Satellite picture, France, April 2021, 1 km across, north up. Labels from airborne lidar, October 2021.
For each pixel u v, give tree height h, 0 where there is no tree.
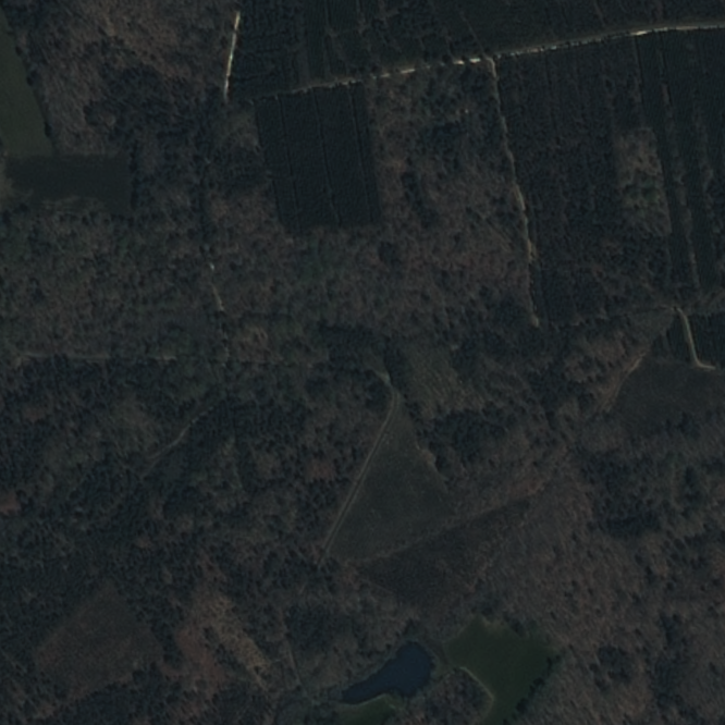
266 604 6
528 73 17
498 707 0
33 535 10
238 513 12
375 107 5
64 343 13
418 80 16
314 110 16
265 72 17
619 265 23
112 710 16
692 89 11
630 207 7
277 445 12
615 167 20
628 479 16
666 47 12
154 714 15
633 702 16
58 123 13
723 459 15
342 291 9
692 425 20
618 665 26
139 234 15
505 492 14
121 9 11
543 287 15
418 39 19
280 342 23
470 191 12
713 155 9
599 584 12
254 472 15
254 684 9
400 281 12
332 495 17
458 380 19
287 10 16
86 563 18
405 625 15
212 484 14
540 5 12
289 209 15
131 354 13
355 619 16
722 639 18
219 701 14
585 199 20
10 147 0
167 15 10
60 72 15
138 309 23
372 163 16
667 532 16
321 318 23
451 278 13
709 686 19
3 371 14
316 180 16
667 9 18
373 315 12
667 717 24
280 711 8
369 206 12
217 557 20
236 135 7
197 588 15
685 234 11
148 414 14
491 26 10
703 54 11
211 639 21
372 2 9
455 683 10
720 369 15
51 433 16
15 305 18
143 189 20
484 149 14
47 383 15
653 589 21
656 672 15
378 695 0
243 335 16
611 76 18
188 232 6
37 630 18
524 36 9
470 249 9
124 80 11
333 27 11
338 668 17
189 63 10
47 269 11
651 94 14
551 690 19
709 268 8
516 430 22
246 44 16
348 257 14
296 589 7
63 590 19
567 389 18
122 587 13
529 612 16
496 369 12
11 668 16
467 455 21
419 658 0
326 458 18
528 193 15
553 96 17
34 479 14
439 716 20
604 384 20
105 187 0
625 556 13
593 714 12
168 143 16
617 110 14
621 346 15
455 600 0
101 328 11
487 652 0
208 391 19
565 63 15
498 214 10
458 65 6
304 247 12
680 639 23
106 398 17
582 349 15
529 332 13
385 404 20
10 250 25
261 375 7
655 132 12
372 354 18
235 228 12
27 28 26
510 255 10
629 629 13
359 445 8
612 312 19
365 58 11
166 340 8
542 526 15
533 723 23
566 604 11
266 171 13
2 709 19
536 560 14
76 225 17
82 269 8
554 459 14
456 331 18
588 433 20
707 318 7
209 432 10
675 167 9
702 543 10
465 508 9
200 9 10
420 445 9
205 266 8
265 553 15
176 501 18
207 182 15
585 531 15
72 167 0
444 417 17
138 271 7
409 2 16
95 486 16
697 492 20
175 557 14
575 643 15
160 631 16
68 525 14
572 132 16
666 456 22
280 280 13
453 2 13
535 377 11
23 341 10
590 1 20
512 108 17
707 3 18
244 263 11
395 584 6
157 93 20
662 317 17
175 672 11
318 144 15
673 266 11
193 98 14
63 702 17
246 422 13
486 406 19
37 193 0
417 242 10
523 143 20
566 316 18
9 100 0
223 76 6
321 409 7
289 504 9
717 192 18
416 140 12
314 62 13
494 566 17
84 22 13
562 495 16
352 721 0
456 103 9
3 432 14
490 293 16
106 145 9
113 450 14
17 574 17
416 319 13
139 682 18
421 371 21
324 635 22
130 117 21
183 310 8
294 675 14
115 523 11
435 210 16
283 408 10
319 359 12
